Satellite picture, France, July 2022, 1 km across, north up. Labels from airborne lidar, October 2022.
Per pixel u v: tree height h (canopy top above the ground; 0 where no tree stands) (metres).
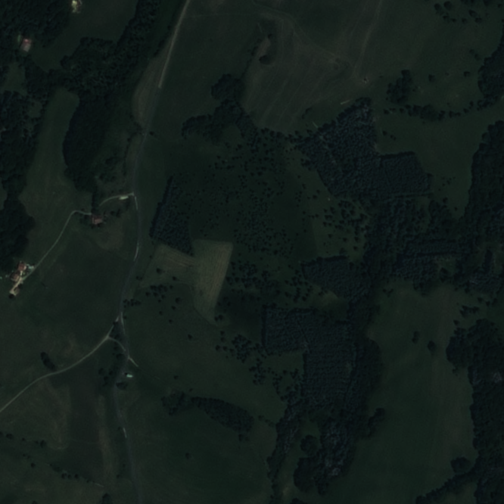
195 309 0
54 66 0
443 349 0
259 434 0
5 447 0
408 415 0
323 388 23
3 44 20
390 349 0
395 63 0
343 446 31
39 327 0
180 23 0
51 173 0
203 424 0
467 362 24
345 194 23
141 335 0
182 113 0
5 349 0
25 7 18
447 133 0
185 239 15
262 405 0
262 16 0
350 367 19
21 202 7
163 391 0
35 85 26
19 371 0
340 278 27
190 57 0
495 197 10
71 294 0
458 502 0
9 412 0
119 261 0
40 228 0
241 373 0
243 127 18
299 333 17
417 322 0
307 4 0
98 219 0
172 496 0
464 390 0
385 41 0
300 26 0
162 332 0
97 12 0
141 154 0
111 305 0
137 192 0
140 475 0
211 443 0
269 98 0
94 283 0
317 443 18
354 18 0
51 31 23
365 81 9
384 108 0
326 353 23
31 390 0
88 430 0
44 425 0
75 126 28
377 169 23
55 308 0
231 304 12
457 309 0
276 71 0
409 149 0
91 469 0
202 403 14
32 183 0
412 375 0
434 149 0
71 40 0
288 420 18
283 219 0
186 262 0
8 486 0
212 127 10
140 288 0
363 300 26
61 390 0
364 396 26
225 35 0
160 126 0
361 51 0
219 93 16
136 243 0
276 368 0
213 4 0
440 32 0
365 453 0
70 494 0
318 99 0
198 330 0
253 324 0
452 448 0
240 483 0
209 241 0
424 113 17
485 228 16
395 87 8
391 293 8
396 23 0
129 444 0
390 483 0
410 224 16
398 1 0
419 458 0
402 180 23
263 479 0
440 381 0
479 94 0
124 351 0
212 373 0
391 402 0
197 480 0
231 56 0
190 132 17
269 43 0
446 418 0
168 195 17
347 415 23
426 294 9
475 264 10
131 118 6
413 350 0
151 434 0
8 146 24
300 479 23
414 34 0
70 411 0
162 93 0
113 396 0
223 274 0
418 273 32
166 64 0
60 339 0
